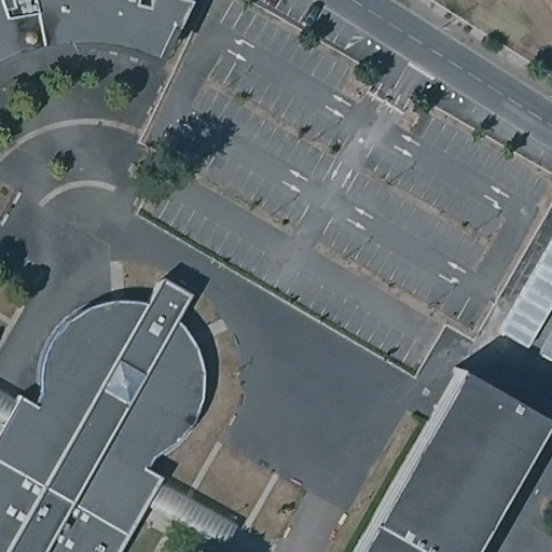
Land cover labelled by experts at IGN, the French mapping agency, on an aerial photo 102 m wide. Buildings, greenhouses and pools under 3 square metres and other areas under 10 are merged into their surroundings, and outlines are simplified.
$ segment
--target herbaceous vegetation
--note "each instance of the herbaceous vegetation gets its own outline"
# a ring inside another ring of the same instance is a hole
[[[190,425],[190,429],[185,431],[188,442],[183,442],[168,457],[177,464],[177,468],[175,472],[164,477],[164,485],[235,524],[246,522],[263,487],[267,485],[272,472],[246,457],[239,457],[229,446],[220,446],[220,453],[216,455],[203,483],[198,487],[192,487],[194,477],[205,464],[213,444],[222,444],[226,440],[229,429],[233,427],[231,418],[235,416],[242,386],[239,356],[231,332],[224,330],[213,336],[209,330],[211,323],[222,321],[213,308],[213,302],[201,293],[196,311],[190,308],[183,317],[183,323],[198,341],[205,358],[207,397],[198,414],[185,416],[185,423]]]
[[[278,479],[254,524],[250,528],[235,533],[229,539],[205,537],[201,541],[205,552],[270,552],[270,543],[282,539],[285,533],[291,528],[291,513],[282,513],[280,505],[302,505],[306,496],[306,492],[300,489],[300,481]]]
[[[472,11],[477,28],[481,28],[500,47],[507,45],[509,50],[522,54],[528,63],[537,58],[550,71],[552,69],[552,0],[457,0],[461,6]]]
[[[183,41],[188,35],[201,30],[203,19],[213,0],[194,0],[194,11],[188,24],[177,30],[177,35]]]
[[[147,509],[123,552],[168,552],[168,528],[153,528],[153,522],[149,520],[151,509]]]
[[[24,308],[9,304],[4,289],[0,287],[0,336],[4,328],[13,330]]]
[[[9,183],[0,181],[0,218],[6,216],[6,205],[13,203],[13,196],[17,192]]]
[[[155,280],[168,278],[162,270],[153,265],[121,261],[125,287],[151,289]]]
[[[360,489],[351,507],[351,513],[343,513],[345,522],[339,524],[339,535],[330,535],[326,552],[341,552],[347,539],[351,537],[354,528],[358,526],[360,518],[364,515],[371,496],[380,487],[386,470],[392,466],[403,442],[414,429],[416,418],[410,412],[401,418],[392,440],[386,446],[384,457],[369,470],[367,483]]]

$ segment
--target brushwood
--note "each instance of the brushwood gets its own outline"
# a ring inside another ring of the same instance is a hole
[[[347,539],[341,552],[354,552],[427,420],[416,418],[414,429],[403,442],[392,466],[386,470],[380,487],[371,496],[364,515],[360,518],[358,526],[354,528],[351,537]]]

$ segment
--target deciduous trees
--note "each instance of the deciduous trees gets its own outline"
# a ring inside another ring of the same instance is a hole
[[[13,114],[13,119],[30,121],[35,116],[35,108],[30,95],[24,91],[6,88],[6,110]]]
[[[22,287],[22,278],[15,278],[0,263],[0,287],[4,289],[9,304],[24,308],[28,291]]]
[[[412,101],[414,110],[418,112],[418,119],[429,116],[433,106],[425,97],[414,97]]]
[[[95,88],[106,99],[108,108],[123,110],[127,106],[127,84],[97,78],[95,73],[82,73],[82,78],[78,80],[65,75],[60,69],[52,69],[41,78],[50,99],[63,99],[69,93],[80,93],[82,88]]]
[[[537,58],[528,63],[530,78],[546,78],[550,71]]]
[[[168,552],[205,552],[201,541],[205,537],[203,533],[177,520],[170,522],[168,528]]]
[[[362,80],[369,86],[382,82],[382,73],[377,69],[358,63],[358,80]]]
[[[144,149],[136,155],[136,179],[129,181],[136,198],[164,203],[173,196],[173,192],[183,190],[194,179],[194,173],[188,170],[183,162],[173,160],[170,155],[162,157],[162,153],[155,149]]]
[[[552,541],[552,500],[543,518],[539,520],[543,535]]]
[[[313,32],[302,30],[298,45],[304,52],[311,52],[319,45],[321,39]]]

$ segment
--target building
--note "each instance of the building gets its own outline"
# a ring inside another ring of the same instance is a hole
[[[541,356],[552,362],[552,330],[539,347]]]
[[[229,539],[235,533],[235,524],[164,485],[164,477],[175,472],[177,468],[177,464],[168,457],[183,442],[188,442],[185,431],[190,429],[190,425],[185,423],[185,416],[198,414],[207,397],[205,358],[198,341],[183,323],[183,317],[190,308],[192,293],[168,278],[155,280],[151,289],[147,302],[110,300],[65,315],[45,339],[37,364],[37,384],[28,386],[24,397],[9,397],[0,390],[0,552],[123,552],[147,509],[151,509],[149,520],[153,522],[153,528],[168,528],[170,522],[177,520],[203,533],[205,537]]]
[[[449,386],[444,388],[440,401],[433,405],[433,412],[427,420],[354,552],[485,552],[496,530],[500,528],[505,515],[509,513],[511,505],[515,502],[520,489],[524,487],[528,474],[533,472],[537,459],[541,457],[546,444],[552,438],[552,418],[539,414],[533,408],[524,408],[518,399],[483,382],[481,377],[464,369],[455,369]]]
[[[552,239],[541,252],[539,263],[535,265],[533,274],[528,276],[526,285],[522,287],[520,295],[515,298],[498,330],[502,336],[524,347],[530,347],[541,323],[552,311]]]
[[[86,41],[140,47],[157,58],[168,50],[173,37],[177,35],[177,30],[188,24],[194,11],[194,0],[0,0],[0,65],[13,58],[35,54],[35,47],[65,43],[69,52],[73,52],[80,43]]]

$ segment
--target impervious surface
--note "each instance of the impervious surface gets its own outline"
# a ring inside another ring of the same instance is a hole
[[[552,438],[546,444],[541,457],[537,459],[533,472],[528,474],[524,487],[520,489],[515,502],[511,505],[509,513],[505,515],[500,528],[496,530],[485,552],[552,552],[552,541],[543,535],[539,520],[543,518],[552,500]]]
[[[304,52],[298,45],[302,30],[313,32],[321,39],[319,45],[311,52]],[[369,86],[362,80],[358,80],[358,63],[377,69],[382,73],[382,82]],[[127,84],[127,106],[123,110],[108,108],[106,99],[95,88],[82,88],[80,93],[69,93],[63,99],[50,99],[41,78],[52,69],[60,69],[65,75],[78,80],[82,78],[82,73],[95,73],[97,78]],[[6,88],[24,91],[30,95],[35,108],[35,116],[30,121],[13,119],[13,114],[6,110]],[[433,106],[429,116],[418,119],[418,112],[414,110],[412,101],[414,97],[425,97]],[[188,170],[194,173],[194,179],[183,190],[173,192],[173,196],[164,203],[136,198],[129,181],[136,179],[136,155],[144,149],[155,149],[162,153],[162,157],[170,155],[173,160],[183,162]],[[211,323],[209,330],[213,336],[224,330],[231,332],[239,356],[242,386],[235,416],[231,418],[233,427],[229,429],[226,440],[222,444],[213,444],[205,464],[194,477],[192,487],[198,487],[203,483],[216,455],[220,453],[220,446],[229,446],[239,457],[246,457],[272,472],[267,485],[263,487],[246,522],[235,524],[235,533],[250,528],[254,524],[278,479],[300,481],[300,489],[306,492],[306,496],[302,505],[280,505],[282,513],[291,513],[291,528],[285,533],[282,539],[270,543],[270,552],[326,552],[330,535],[339,535],[339,524],[345,522],[343,513],[351,513],[351,507],[360,489],[367,483],[369,470],[384,457],[386,446],[392,440],[401,418],[410,412],[416,418],[427,420],[433,412],[433,405],[440,401],[444,388],[449,386],[455,369],[464,369],[481,377],[483,382],[518,399],[524,408],[533,408],[539,414],[552,418],[552,362],[541,356],[539,347],[552,330],[552,311],[541,323],[530,347],[524,347],[502,336],[498,330],[515,298],[520,295],[522,287],[526,285],[528,276],[533,274],[535,265],[539,263],[541,252],[552,239],[552,69],[550,71],[546,78],[530,78],[528,63],[522,54],[509,50],[507,45],[500,47],[481,28],[477,28],[472,11],[461,6],[457,0],[213,0],[203,19],[201,30],[188,35],[183,41],[177,35],[173,37],[168,50],[157,58],[140,47],[86,41],[80,43],[73,52],[69,52],[65,43],[35,47],[35,54],[13,58],[0,65],[0,181],[9,183],[17,192],[13,196],[13,203],[6,205],[6,216],[0,218],[0,263],[15,278],[22,278],[22,287],[28,291],[24,308],[13,330],[4,328],[0,336],[0,390],[9,397],[24,397],[28,386],[37,384],[37,364],[45,339],[65,315],[110,300],[147,302],[151,289],[125,287],[121,261],[153,265],[162,270],[168,278],[192,293],[190,308],[196,311],[201,293],[213,302],[213,308],[222,321]]]

